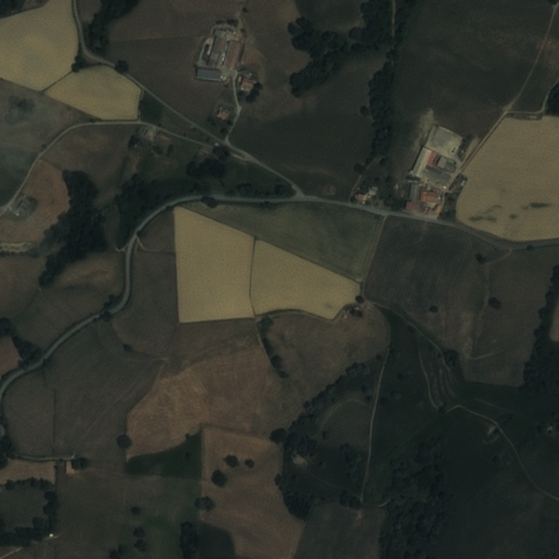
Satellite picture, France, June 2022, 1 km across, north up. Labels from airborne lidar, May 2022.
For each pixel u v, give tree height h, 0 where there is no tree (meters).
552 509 0
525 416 0
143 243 0
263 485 0
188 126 0
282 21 0
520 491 0
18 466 0
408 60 0
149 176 0
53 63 0
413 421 0
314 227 0
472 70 0
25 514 0
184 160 0
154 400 0
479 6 0
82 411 0
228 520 0
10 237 0
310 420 10
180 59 0
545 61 0
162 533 0
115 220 0
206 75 0
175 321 0
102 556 0
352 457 15
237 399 0
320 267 0
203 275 0
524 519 0
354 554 0
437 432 0
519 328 0
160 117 0
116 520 0
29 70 0
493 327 0
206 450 0
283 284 0
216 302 0
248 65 0
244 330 0
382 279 0
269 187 0
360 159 0
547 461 0
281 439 23
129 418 0
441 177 0
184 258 0
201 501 16
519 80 0
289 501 15
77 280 0
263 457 0
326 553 0
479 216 0
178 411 0
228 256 0
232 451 0
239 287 0
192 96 0
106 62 0
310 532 0
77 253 24
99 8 0
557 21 0
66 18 0
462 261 0
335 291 0
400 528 16
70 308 0
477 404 0
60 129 0
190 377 0
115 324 0
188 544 26
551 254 0
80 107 0
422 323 0
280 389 0
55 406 0
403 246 0
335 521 0
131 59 0
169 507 0
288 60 0
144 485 0
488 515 0
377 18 17
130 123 0
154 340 0
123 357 0
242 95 8
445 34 0
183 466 0
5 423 14
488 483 0
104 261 0
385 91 23
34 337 0
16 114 17
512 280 0
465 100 0
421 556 18
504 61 0
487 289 0
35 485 17
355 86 0
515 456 0
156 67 0
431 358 0
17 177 0
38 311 0
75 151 0
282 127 0
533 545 0
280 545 0
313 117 0
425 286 0
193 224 0
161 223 0
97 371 0
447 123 0
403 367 0
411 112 0
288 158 0
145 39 0
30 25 0
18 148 0
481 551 0
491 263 0
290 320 0
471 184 0
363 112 15
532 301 0
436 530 17
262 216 0
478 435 0
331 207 0
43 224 0
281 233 0
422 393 0
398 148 0
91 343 0
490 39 0
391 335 0
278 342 0
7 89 0
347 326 0
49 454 0
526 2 0
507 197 0
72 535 0
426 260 0
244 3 0
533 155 0
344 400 0
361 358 0
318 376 0
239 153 0
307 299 0
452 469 0
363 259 0
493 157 0
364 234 0
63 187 0
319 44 19
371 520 0
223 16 0
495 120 0
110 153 0
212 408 0
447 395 0
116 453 0
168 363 0
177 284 0
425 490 21
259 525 0
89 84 0
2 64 0
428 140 0
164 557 0
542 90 0
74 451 0
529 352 0
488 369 0
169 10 0
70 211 9
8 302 0
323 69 20
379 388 0
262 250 0
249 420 0
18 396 0
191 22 0
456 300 0
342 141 0
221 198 0
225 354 0
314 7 0
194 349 0
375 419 0
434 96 0
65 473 0
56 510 12
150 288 0
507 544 0
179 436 0
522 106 0
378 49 18
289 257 0
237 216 0
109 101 0
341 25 0
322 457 0
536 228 0
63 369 0
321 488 0
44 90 0
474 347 0
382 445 0
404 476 15
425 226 0
